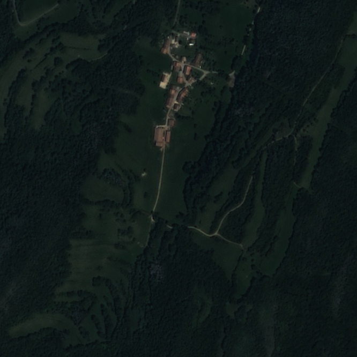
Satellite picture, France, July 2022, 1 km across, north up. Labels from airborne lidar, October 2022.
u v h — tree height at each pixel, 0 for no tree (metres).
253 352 12
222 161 30
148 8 9
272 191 9
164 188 0
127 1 0
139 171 0
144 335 18
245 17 0
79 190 8
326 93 6
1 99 0
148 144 0
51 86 9
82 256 0
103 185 0
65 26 20
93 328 0
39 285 17
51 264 13
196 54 5
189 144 0
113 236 0
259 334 8
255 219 0
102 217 16
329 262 16
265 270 0
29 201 9
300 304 15
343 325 17
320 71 14
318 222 6
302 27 17
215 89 11
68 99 20
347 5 11
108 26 7
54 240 10
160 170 0
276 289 15
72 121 8
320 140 0
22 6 14
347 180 15
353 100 12
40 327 0
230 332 16
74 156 11
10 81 0
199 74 8
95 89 17
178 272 18
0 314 11
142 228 0
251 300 18
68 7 0
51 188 7
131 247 0
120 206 11
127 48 13
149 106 0
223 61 0
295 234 13
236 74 7
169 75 0
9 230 15
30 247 10
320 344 20
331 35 16
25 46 9
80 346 15
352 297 14
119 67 16
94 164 11
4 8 19
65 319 0
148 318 13
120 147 0
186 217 6
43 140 8
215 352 16
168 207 0
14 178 12
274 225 13
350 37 9
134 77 8
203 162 12
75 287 0
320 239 16
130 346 23
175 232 16
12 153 14
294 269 14
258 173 15
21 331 0
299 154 12
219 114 19
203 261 19
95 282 17
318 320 20
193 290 13
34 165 7
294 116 13
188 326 13
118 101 7
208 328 14
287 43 24
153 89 0
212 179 15
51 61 0
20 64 0
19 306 15
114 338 22
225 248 0
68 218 6
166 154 0
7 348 11
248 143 15
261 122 12
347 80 0
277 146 9
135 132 0
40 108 0
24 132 9
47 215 7
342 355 20
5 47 8
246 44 16
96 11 12
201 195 7
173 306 17
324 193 10
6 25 17
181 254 14
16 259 11
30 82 0
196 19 0
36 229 12
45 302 14
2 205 11
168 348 14
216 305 15
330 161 12
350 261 14
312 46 18
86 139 13
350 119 7
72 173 9
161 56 0
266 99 21
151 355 24
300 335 11
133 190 18
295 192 0
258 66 20
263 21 17
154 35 8
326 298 14
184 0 10
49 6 0
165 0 12
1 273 7
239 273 0
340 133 15
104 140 14
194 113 13
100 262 0
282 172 11
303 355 18
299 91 16
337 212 12
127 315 15
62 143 10
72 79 0
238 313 17
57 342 26
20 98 0
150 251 18
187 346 11
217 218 6
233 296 15
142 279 9
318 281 9
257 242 10
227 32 0
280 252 0
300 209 14
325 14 16
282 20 25
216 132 23
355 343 25
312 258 16
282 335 19
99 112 21
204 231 0
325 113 0
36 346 18
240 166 17
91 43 0
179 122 0
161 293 14
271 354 5
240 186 7
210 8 22
